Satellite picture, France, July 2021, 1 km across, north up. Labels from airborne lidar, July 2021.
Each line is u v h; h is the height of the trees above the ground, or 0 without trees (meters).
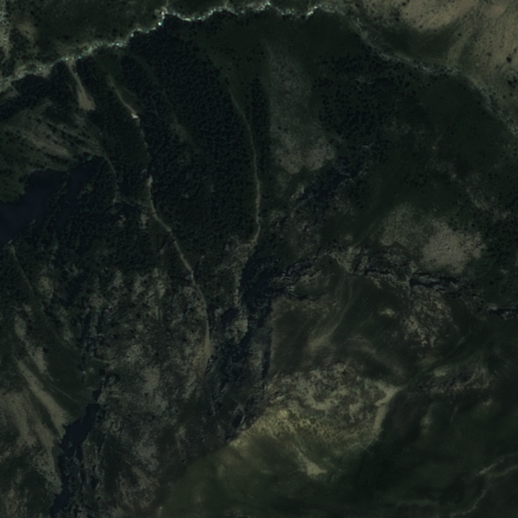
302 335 0
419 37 0
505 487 0
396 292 0
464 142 0
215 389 0
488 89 0
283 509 0
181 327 0
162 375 0
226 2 0
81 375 0
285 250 0
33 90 8
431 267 0
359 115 12
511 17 0
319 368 0
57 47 0
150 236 9
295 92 0
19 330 0
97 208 14
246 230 6
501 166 0
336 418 0
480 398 0
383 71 13
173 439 0
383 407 0
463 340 0
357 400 0
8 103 9
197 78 18
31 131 0
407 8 0
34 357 0
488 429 0
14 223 0
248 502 0
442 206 0
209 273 6
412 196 0
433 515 0
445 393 0
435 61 0
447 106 0
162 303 0
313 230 0
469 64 0
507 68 0
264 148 12
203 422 0
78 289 11
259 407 0
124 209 11
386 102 10
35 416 0
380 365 0
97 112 7
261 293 8
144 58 6
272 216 0
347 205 0
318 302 0
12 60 9
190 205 8
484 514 0
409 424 0
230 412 0
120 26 0
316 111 0
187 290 0
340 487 0
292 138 0
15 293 6
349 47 0
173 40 16
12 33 7
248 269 11
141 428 0
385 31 0
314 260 0
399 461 0
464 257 0
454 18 0
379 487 0
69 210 15
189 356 0
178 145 8
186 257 0
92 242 10
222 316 0
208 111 14
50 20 0
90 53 0
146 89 10
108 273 11
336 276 0
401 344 0
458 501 0
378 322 0
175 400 0
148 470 0
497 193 0
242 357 12
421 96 0
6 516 0
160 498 0
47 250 8
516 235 7
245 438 0
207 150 8
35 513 0
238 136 16
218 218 13
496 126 0
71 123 6
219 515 0
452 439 0
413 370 0
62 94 19
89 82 23
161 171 16
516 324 0
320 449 0
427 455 0
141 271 8
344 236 0
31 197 0
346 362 0
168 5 0
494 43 0
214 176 8
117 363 0
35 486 0
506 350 0
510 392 0
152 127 10
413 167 0
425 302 0
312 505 0
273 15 0
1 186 0
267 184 0
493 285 9
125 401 0
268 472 0
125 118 6
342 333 0
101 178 22
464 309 0
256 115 7
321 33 0
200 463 0
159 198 12
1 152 9
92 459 0
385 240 0
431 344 0
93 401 0
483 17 0
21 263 13
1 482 0
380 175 0
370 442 0
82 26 0
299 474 0
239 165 14
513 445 0
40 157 0
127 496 0
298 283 0
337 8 0
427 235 0
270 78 0
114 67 0
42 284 0
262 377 0
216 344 0
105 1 0
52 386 0
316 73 0
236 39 0
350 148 7
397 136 0
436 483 0
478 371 0
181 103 9
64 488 0
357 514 0
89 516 0
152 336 0
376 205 0
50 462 0
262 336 0
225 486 0
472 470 0
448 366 0
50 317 7
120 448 0
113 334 0
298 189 0
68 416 0
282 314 0
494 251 11
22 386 0
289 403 0
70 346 0
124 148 6
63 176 18
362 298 0
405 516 0
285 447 0
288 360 0
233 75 0
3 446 0
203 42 0
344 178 15
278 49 0
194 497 0
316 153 0
